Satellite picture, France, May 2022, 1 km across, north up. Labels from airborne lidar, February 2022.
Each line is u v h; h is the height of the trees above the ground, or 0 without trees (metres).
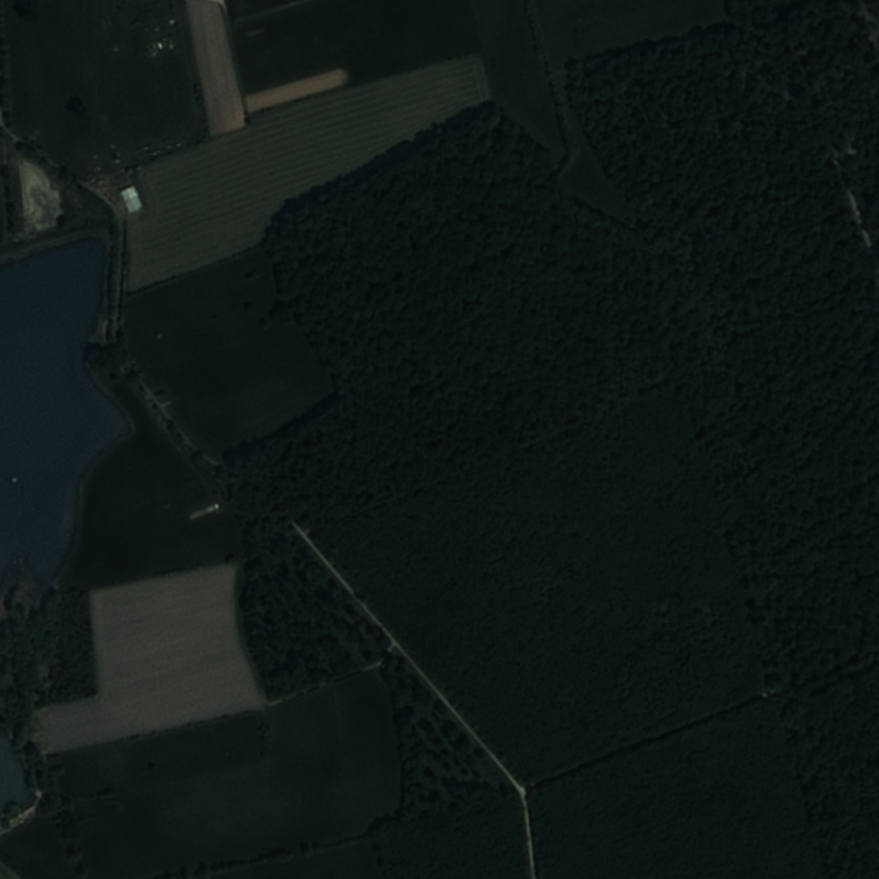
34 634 22
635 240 22
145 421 0
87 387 0
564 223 29
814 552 24
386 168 25
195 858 0
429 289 21
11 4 0
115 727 0
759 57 29
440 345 27
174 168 0
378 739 0
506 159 27
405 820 14
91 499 0
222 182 0
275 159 0
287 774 0
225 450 0
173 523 0
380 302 31
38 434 0
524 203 27
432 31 0
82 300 0
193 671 0
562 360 26
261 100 0
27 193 0
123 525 0
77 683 6
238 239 0
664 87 18
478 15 0
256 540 21
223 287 0
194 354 0
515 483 12
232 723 0
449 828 16
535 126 0
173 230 0
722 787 18
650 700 6
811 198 24
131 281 0
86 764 0
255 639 19
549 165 18
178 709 0
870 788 30
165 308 0
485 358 27
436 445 26
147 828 0
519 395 28
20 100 0
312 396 0
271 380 0
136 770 0
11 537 0
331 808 0
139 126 0
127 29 0
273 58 0
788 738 16
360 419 23
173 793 0
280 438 13
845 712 24
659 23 0
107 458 0
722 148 21
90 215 0
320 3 0
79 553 0
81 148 0
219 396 0
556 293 27
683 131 23
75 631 11
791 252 23
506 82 0
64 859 0
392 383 26
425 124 0
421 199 26
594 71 21
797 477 25
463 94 0
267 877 0
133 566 0
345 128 0
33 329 0
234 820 0
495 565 6
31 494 0
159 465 0
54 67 0
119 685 0
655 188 22
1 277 0
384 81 0
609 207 0
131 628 0
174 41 0
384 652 0
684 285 27
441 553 9
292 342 0
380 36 0
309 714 0
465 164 26
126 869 0
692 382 25
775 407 20
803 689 23
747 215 25
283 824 0
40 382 0
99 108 0
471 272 28
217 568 0
